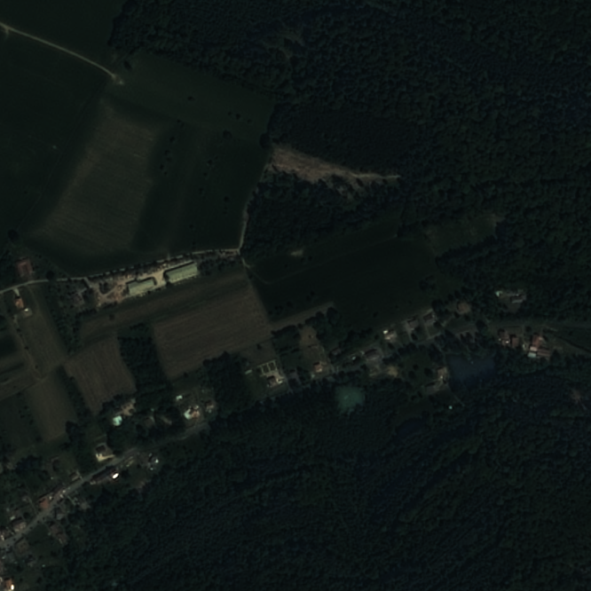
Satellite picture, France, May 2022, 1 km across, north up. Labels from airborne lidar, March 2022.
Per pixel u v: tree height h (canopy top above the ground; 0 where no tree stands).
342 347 10
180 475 17
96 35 0
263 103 0
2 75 0
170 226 0
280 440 29
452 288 0
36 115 0
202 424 0
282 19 6
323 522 10
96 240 0
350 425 13
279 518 23
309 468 11
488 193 27
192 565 9
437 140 25
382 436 11
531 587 25
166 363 0
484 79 28
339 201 20
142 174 0
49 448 0
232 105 0
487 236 0
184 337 0
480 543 14
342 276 0
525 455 24
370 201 20
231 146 0
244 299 0
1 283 6
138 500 8
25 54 0
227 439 19
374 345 0
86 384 0
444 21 15
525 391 27
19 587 0
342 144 17
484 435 19
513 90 24
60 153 0
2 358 0
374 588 12
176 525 7
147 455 0
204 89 0
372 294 0
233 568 22
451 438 29
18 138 0
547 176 24
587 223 26
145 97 0
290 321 0
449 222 21
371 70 29
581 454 33
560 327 0
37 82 0
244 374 7
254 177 0
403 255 0
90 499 8
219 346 0
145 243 0
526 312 11
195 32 9
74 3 0
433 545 13
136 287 0
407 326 0
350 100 18
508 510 21
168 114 0
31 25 0
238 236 0
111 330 0
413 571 13
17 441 0
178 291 0
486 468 27
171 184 0
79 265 0
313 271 0
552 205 23
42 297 0
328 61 33
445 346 23
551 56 18
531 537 23
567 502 19
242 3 13
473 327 0
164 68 0
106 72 0
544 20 14
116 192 0
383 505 25
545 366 14
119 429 10
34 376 0
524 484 25
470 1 15
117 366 0
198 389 0
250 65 25
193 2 10
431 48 25
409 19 32
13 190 0
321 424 12
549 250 24
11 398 0
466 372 0
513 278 10
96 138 0
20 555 0
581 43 20
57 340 0
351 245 0
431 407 0
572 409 30
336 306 0
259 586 19
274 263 0
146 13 19
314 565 18
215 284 0
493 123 29
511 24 14
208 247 0
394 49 29
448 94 31
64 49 0
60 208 0
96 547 6
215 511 5
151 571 7
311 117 19
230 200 8
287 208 19
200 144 0
